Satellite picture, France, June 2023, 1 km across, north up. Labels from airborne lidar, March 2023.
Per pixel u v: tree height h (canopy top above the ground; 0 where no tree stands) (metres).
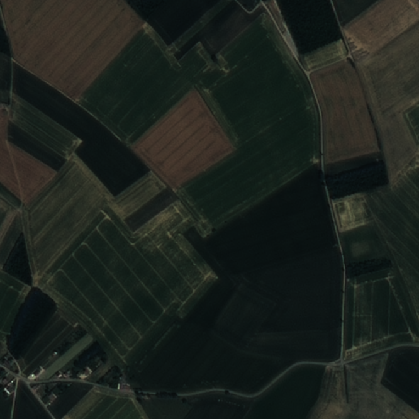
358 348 0
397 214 0
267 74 0
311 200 0
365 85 0
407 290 0
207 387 0
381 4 0
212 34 0
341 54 0
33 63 0
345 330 0
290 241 0
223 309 0
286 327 0
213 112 0
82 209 0
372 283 0
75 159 0
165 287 0
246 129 0
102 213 0
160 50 0
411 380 0
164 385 0
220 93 0
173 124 0
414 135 0
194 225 0
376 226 0
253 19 0
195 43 0
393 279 0
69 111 0
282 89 0
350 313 0
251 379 0
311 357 0
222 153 0
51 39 0
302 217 0
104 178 0
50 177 0
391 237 0
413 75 0
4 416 0
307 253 0
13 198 0
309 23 8
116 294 0
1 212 0
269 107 0
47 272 0
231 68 0
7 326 0
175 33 0
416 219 0
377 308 0
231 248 0
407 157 0
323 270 0
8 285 0
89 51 0
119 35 0
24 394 0
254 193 0
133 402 0
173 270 0
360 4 0
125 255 0
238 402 0
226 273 0
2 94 0
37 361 0
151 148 0
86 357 16
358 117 0
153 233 0
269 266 0
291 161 0
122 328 0
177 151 0
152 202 0
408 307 0
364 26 0
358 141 0
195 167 0
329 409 0
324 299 0
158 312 0
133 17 0
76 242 0
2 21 0
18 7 0
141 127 0
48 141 0
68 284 0
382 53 0
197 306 0
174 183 0
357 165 0
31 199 0
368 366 0
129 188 0
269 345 0
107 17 0
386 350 0
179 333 0
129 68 0
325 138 0
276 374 0
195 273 0
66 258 0
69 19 0
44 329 0
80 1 0
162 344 0
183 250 0
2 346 0
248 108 0
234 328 0
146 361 0
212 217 0
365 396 0
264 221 0
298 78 0
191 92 0
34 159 0
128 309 0
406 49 0
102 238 0
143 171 0
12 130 0
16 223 0
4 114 0
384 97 0
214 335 0
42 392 0
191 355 0
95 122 0
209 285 0
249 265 0
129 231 0
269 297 0
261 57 0
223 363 0
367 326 0
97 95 0
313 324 0
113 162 0
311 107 0
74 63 0
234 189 0
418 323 0
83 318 0
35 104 0
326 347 0
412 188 0
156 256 0
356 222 0
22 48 0
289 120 0
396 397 0
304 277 0
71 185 0
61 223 0
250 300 0
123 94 0
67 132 0
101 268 0
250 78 0
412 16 0
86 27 0
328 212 0
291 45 0
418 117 0
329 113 0
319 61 0
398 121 0
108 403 0
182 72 0
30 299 23
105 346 0
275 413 0
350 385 0
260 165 0
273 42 0
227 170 0
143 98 0
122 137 0
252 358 0
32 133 0
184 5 0
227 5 0
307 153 0
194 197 0
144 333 0
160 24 0
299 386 0
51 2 0
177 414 0
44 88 0
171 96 0
